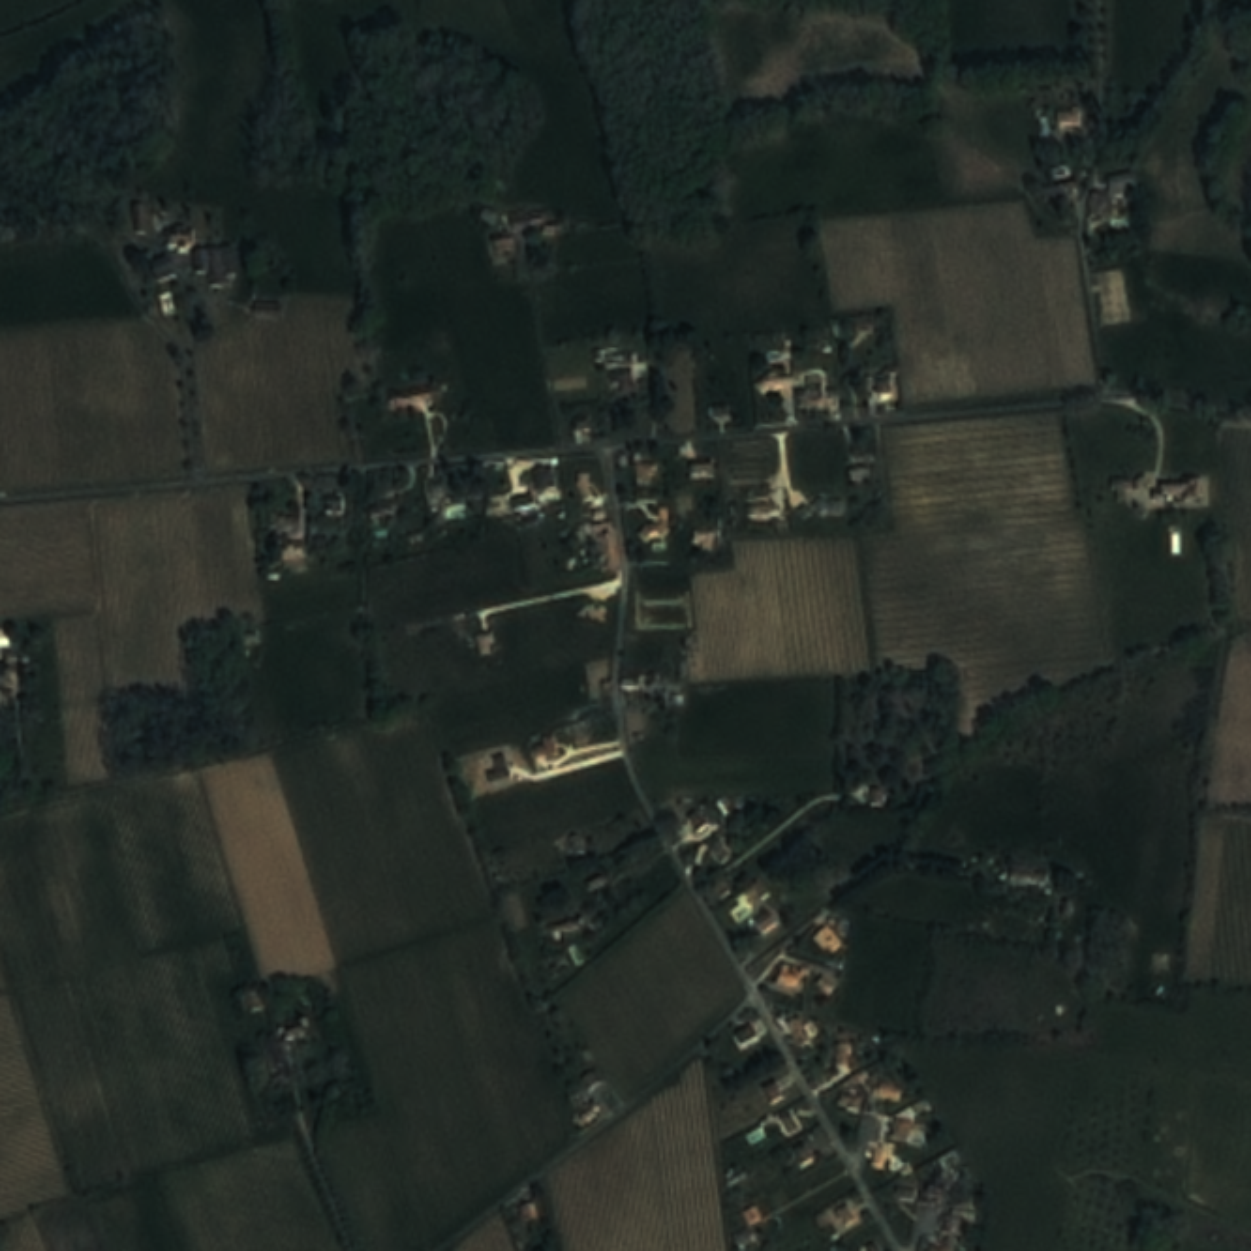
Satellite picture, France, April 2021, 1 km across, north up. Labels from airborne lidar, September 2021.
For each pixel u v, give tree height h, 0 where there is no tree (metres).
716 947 0
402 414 8
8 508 0
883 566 0
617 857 7
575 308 0
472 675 0
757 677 0
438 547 6
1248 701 0
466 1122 0
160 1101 0
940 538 0
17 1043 0
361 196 20
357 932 0
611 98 17
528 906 0
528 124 27
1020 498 0
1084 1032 10
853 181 0
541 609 0
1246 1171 0
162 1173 0
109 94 20
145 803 0
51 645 0
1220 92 0
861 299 0
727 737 0
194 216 14
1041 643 0
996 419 0
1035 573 0
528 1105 0
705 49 17
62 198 18
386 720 18
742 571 0
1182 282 0
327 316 0
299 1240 0
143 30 19
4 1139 0
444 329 0
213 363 0
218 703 19
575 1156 0
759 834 13
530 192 0
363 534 7
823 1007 10
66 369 0
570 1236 0
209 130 0
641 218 15
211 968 0
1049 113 8
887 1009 0
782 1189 0
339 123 26
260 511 13
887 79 0
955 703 17
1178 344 0
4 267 0
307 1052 11
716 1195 0
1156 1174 0
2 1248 11
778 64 0
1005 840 0
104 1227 0
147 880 0
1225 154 21
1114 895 0
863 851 0
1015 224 0
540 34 0
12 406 0
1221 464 0
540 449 0
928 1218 0
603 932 8
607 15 19
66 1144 0
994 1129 0
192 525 0
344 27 0
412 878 0
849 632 0
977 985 0
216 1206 0
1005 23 0
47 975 0
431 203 25
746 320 0
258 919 0
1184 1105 0
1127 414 0
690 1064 0
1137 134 16
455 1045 0
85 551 0
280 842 0
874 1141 0
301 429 0
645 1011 0
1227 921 0
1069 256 0
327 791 0
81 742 0
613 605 0
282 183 28
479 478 14
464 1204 0
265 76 0
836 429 8
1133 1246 9
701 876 13
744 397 0
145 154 21
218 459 0
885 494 0
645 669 0
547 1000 6
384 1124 0
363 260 23
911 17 24
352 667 0
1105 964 16
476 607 0
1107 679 12
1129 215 6
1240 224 20
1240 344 0
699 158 17
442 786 0
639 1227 0
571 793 0
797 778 0
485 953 0
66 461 0
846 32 0
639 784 0
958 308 0
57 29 0
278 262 12
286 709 0
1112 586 0
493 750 0
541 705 0
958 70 17
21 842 0
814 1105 0
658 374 0
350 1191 0
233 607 0
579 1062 6
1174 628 0
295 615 0
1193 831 10
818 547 0
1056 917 10
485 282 0
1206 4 13
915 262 0
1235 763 0
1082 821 0
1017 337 0
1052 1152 0
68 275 0
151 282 8
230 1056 0
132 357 0
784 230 0
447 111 23
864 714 18
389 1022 0
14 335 0
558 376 0
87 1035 0
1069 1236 0
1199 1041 0
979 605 0
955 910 0
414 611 0
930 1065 0
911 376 0
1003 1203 0
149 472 0
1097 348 0
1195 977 0
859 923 0
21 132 21
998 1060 0
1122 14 0
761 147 15
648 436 0
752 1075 13
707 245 18
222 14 0
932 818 16
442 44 10
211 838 0
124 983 0
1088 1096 0
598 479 0
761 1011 0
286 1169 0
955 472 0
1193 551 0
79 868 0
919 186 0
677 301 0
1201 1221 0
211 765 18
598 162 0
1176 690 0
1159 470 0
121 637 0
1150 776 0
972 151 0
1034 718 20
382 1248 0
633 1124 0
